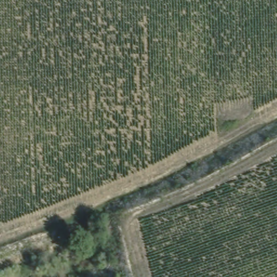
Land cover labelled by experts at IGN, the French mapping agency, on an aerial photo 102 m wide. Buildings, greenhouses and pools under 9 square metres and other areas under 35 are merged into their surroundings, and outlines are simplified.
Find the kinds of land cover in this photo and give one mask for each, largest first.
<instances>
[{"label":"vineyard","instance_id":"1","mask_svg":"<svg viewBox=\"0 0 277 277\"><path fill-rule=\"evenodd\" d=\"M252 96V107L256 109L277 98V0H0V222L5 223L50 207L54 203L88 192L95 186H101L104 181H115L121 176L145 169L150 164L167 158L175 151L207 136L210 131L236 129L239 124L234 119L212 118L215 103L242 100ZM151 277H277V156L258 164L255 169L239 173L236 180H228L196 198L176 203L168 209L138 216Z\"/></svg>","mask_w":277,"mask_h":277},{"label":"herbaceous vegetation","instance_id":"2","mask_svg":"<svg viewBox=\"0 0 277 277\"><path fill-rule=\"evenodd\" d=\"M252 96L242 100L215 103L212 118L234 119L239 124L236 129L210 131L207 136L175 151L167 158L150 164L145 169L121 176L115 181H104L101 186H95L88 192L54 203L50 207L5 223L0 222V242L43 226L49 238L55 243L53 252L57 258L65 250L69 253L70 271L65 277H74L77 271L102 274L104 268L98 266V256L102 253L103 247H96L90 258L83 259L69 247L70 237L77 233L80 226L84 230L88 229V222L94 209L111 198L132 192L181 169L190 161L212 154L217 148H222L261 124L277 118V98L256 109L252 107ZM277 156V136L194 183L160 194L140 206L122 211L118 229L129 277H151L138 216L168 209L176 203L196 198L228 180H236L239 173L255 169L258 164Z\"/></svg>","mask_w":277,"mask_h":277},{"label":"brushwood","instance_id":"3","mask_svg":"<svg viewBox=\"0 0 277 277\"><path fill-rule=\"evenodd\" d=\"M277 136V118L261 124L222 148H217L212 154L190 161L181 169L132 192L111 198L94 209L101 216L108 214L109 217L111 237L103 247L102 253L105 254L106 262L111 265L109 269H114L115 274L121 277H129L118 229L122 211L140 206L160 194L194 183Z\"/></svg>","mask_w":277,"mask_h":277},{"label":"deciduous trees","instance_id":"4","mask_svg":"<svg viewBox=\"0 0 277 277\"><path fill-rule=\"evenodd\" d=\"M109 217L108 214L101 216L94 209L88 222V229L84 230L80 226L77 233L70 237L69 247L83 259L90 258L96 247H103L111 237ZM55 243L49 238L43 226L0 242V277H65L70 271L69 253L65 250L57 258L53 252ZM98 266L104 268L102 274L77 271L74 277H121L115 274L114 269H109L111 265L106 262L105 254L102 253L98 256Z\"/></svg>","mask_w":277,"mask_h":277}]
</instances>
